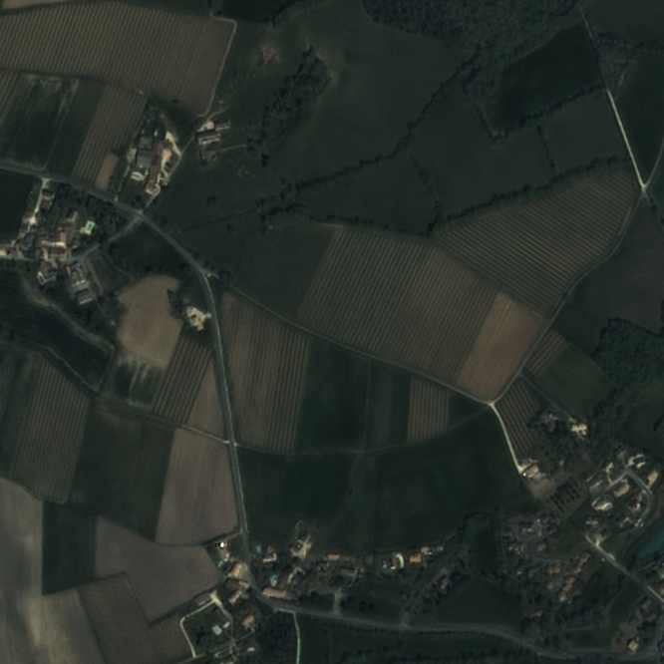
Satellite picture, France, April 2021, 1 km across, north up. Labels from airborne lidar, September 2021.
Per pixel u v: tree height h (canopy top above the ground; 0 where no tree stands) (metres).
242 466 0
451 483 0
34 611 0
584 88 0
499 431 0
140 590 0
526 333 0
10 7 0
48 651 0
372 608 9
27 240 0
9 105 0
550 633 24
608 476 0
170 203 0
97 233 7
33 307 0
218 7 17
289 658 13
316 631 0
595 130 0
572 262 0
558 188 11
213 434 0
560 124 0
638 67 0
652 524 0
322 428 0
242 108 0
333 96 0
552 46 0
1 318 0
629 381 14
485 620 0
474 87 18
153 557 0
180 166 0
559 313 0
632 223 0
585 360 0
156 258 0
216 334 0
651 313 0
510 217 0
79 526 0
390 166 0
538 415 6
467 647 0
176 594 0
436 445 0
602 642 0
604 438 20
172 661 0
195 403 0
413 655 0
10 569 0
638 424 0
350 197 0
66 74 0
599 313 0
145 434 0
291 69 0
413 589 7
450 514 0
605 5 0
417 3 22
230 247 0
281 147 0
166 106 0
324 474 0
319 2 12
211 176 0
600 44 12
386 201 0
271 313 0
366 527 0
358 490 0
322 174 0
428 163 0
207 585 0
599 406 0
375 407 0
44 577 0
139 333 0
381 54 0
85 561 0
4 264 9
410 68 0
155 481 0
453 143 0
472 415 0
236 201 0
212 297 0
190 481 0
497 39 19
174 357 0
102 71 0
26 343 0
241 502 0
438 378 0
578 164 0
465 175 0
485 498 0
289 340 0
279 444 0
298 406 0
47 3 0
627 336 22
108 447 0
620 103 0
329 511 0
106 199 0
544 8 23
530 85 0
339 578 7
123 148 0
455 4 18
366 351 0
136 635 0
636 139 0
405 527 0
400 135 0
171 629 0
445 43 19
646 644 8
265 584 8
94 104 0
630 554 0
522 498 0
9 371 0
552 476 10
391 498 0
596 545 0
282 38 0
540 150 0
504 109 0
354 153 0
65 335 0
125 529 0
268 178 0
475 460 0
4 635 0
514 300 0
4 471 0
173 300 10
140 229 0
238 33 0
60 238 0
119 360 0
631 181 0
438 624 0
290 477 0
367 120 0
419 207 0
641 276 0
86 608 0
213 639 9
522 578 6
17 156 0
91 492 0
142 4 0
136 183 0
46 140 0
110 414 0
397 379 0
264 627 7
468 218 11
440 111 0
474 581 0
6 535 0
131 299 0
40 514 0
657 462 7
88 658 0
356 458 0
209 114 0
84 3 0
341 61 0
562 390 0
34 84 0
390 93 0
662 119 0
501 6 22
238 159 0
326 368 0
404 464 0
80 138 0
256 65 0
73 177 0
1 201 0
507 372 0
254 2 0
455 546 14
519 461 0
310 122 0
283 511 0
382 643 0
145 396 0
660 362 25
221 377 0
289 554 6
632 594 0
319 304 0
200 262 21
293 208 12
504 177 0
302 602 10
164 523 0
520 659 10
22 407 0
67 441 0
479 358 0
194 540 0
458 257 0
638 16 0
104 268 0
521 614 0
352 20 0
